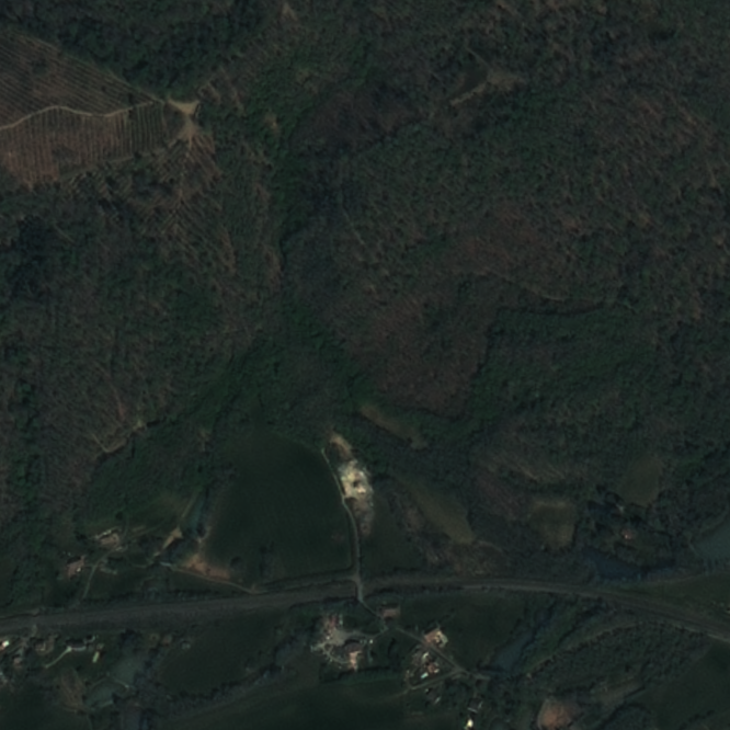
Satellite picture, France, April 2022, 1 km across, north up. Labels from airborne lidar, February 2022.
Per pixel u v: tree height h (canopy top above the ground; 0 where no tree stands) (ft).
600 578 48
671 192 81
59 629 37
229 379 60
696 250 79
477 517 80
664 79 73
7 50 0
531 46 90
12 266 64
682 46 104
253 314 87
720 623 0
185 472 82
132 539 0
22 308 78
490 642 0
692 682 0
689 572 74
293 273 76
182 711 66
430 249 71
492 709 0
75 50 90
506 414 81
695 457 73
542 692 67
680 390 81
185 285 82
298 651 51
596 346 82
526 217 62
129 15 71
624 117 88
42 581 61
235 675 0
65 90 0
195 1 77
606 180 88
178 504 0
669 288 79
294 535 0
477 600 0
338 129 58
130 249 83
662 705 0
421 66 89
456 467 74
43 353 71
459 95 0
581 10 0
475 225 93
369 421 45
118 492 68
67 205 94
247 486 0
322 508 0
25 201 73
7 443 81
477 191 77
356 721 0
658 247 78
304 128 73
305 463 0
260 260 75
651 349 68
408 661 0
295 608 28
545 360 86
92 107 0
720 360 84
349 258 71
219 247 79
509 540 84
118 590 0
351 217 55
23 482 72
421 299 81
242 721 0
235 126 83
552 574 69
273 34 73
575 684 0
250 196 72
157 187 39
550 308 46
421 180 77
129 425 55
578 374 48
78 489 69
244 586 0
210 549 0
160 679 0
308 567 0
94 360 80
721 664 0
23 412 96
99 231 92
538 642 50
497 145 71
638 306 73
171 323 72
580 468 88
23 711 0
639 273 69
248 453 0
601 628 63
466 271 66
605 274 69
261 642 0
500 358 68
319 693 0
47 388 96
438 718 0
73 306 74
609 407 74
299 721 0
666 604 0
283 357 70
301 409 67
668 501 48
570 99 80
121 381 87
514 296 54
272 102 81
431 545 80
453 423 59
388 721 0
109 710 0
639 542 0
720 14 60
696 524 58
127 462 69
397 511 62
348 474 0
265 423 0
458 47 85
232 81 63
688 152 79
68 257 66
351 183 49
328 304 61
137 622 48
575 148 77
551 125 73
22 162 0
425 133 74
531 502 72
